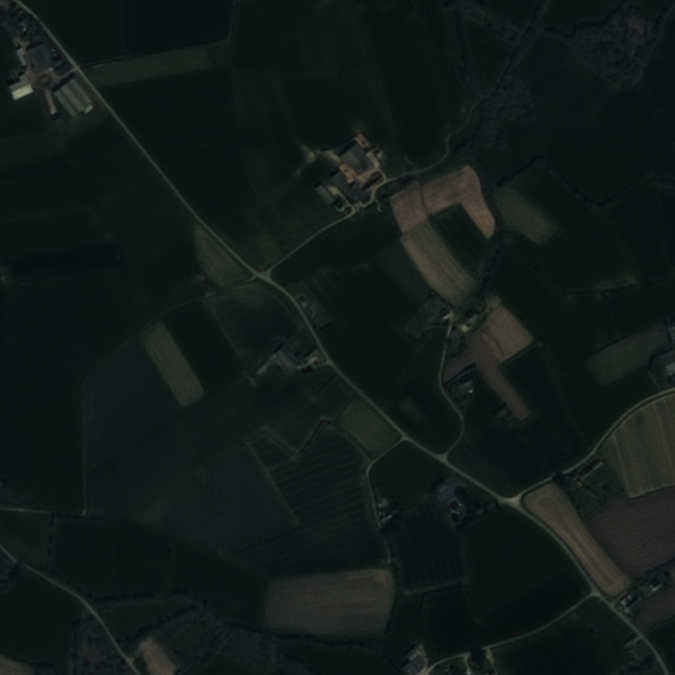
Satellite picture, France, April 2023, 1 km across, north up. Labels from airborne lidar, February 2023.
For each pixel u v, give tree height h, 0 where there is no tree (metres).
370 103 0
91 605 10
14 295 0
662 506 0
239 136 0
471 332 0
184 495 0
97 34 0
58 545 0
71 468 0
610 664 0
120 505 0
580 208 0
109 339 0
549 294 0
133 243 0
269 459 0
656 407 0
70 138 0
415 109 0
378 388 0
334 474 0
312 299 0
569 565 0
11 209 0
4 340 0
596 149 0
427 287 0
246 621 0
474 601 0
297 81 0
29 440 0
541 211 0
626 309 0
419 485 0
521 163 0
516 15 0
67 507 0
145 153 0
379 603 0
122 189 0
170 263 0
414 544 0
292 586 0
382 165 0
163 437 0
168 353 0
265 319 0
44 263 0
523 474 0
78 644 8
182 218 0
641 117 0
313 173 0
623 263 0
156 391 0
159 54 0
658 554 0
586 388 0
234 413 0
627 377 0
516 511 0
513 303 0
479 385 0
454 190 0
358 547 0
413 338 0
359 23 0
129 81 0
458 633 0
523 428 0
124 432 0
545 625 0
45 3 0
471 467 0
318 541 0
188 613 12
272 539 0
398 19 0
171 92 0
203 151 0
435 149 0
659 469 0
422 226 0
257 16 0
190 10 0
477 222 0
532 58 0
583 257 0
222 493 0
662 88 0
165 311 0
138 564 0
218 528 0
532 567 0
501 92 13
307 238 0
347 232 0
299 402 0
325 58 0
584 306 0
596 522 0
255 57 0
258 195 0
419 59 0
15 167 0
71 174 0
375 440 0
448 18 0
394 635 0
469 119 0
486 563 0
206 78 0
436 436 0
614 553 0
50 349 0
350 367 0
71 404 0
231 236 0
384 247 0
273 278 0
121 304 0
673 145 0
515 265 0
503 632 0
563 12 0
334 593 0
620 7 8
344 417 0
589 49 6
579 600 0
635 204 0
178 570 0
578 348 0
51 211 0
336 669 0
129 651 12
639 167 0
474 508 9
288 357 0
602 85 0
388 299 0
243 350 0
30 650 0
